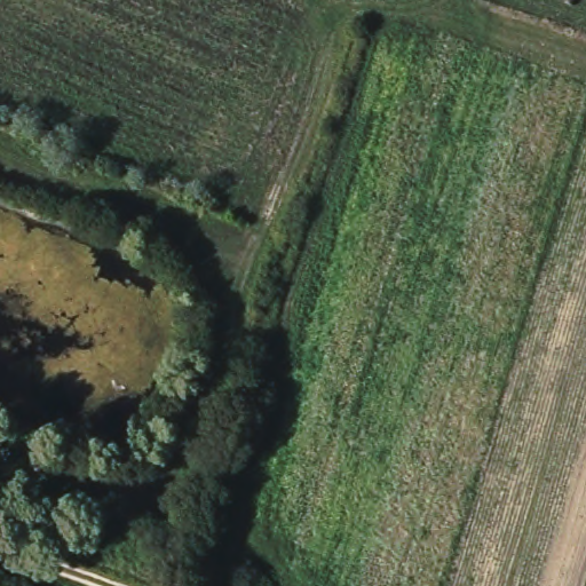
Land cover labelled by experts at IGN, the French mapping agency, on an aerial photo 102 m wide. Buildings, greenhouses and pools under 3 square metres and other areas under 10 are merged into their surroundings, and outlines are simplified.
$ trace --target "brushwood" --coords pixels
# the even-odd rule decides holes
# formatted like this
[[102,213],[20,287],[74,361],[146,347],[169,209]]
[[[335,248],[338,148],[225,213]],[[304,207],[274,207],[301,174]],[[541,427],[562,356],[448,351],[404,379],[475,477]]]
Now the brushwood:
[[117,444],[101,444],[98,440],[89,440],[89,444],[62,456],[55,451],[62,437],[53,430],[50,423],[37,428],[30,437],[30,462],[50,474],[126,485],[151,481],[160,465],[163,446],[172,440],[165,419],[172,412],[181,410],[185,401],[185,382],[204,373],[206,369],[204,355],[208,353],[211,311],[206,302],[190,300],[188,293],[192,291],[192,284],[185,275],[179,272],[181,261],[172,252],[165,236],[156,243],[142,240],[142,233],[151,224],[149,217],[135,217],[130,227],[126,227],[117,220],[117,213],[112,208],[108,208],[105,213],[96,213],[73,201],[53,199],[43,190],[25,190],[18,185],[0,188],[0,204],[9,211],[21,211],[32,220],[43,220],[69,229],[71,233],[76,233],[73,243],[87,245],[89,250],[117,250],[137,272],[156,279],[169,293],[169,334],[167,346],[160,355],[160,364],[156,369],[156,389],[149,387],[144,391],[137,391],[142,403],[128,417],[126,423],[126,437],[133,456],[124,462],[117,462],[112,458],[112,453],[117,453]]
[[300,243],[293,266],[284,270],[284,254],[279,250],[270,254],[270,261],[266,263],[263,277],[256,286],[254,327],[291,327],[291,291],[300,279],[298,270],[309,245],[309,233],[325,211],[325,199],[311,192],[304,204],[304,220],[300,227]]
[[0,407],[0,442],[11,444],[14,435],[9,428],[7,410]]
[[350,76],[339,78],[336,94],[343,96],[341,112],[336,117],[325,119],[330,133],[346,135],[348,124],[355,119],[355,112],[359,110],[359,87],[366,85],[366,76],[378,48],[378,34],[364,27],[355,71]]
[[185,190],[181,192],[176,179],[163,179],[153,185],[144,183],[142,174],[133,167],[128,167],[124,176],[101,158],[96,158],[92,165],[89,160],[82,160],[73,153],[76,135],[66,126],[60,124],[46,135],[37,135],[37,124],[30,117],[21,117],[5,105],[0,108],[0,165],[2,169],[25,172],[34,179],[66,181],[73,188],[82,190],[133,190],[140,197],[153,199],[163,208],[174,206],[190,215],[197,215],[204,229],[238,229],[240,220],[224,211],[213,211],[213,197],[195,181],[185,183]]
[[261,579],[254,570],[238,568],[233,586],[284,586],[282,577],[275,570],[266,579]]

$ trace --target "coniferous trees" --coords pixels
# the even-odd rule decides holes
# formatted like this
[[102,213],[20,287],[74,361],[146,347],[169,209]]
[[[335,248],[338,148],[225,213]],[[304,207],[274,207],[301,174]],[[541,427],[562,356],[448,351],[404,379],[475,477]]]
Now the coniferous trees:
[[192,572],[192,561],[215,545],[215,520],[211,506],[213,501],[227,501],[227,490],[217,483],[217,478],[227,472],[238,472],[252,451],[250,446],[238,442],[240,426],[245,423],[245,405],[236,387],[254,387],[256,375],[236,359],[229,359],[227,375],[222,378],[222,382],[201,401],[197,423],[199,433],[195,440],[185,444],[183,467],[174,472],[174,481],[158,497],[160,510],[165,510],[167,515],[163,520],[133,520],[126,538],[105,549],[101,563],[94,570],[133,586],[204,586],[204,577]]

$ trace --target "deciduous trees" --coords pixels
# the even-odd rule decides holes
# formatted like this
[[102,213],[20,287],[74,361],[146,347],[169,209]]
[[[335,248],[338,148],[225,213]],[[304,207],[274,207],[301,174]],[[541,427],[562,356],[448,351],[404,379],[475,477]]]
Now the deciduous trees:
[[94,499],[85,494],[73,494],[69,499],[64,494],[60,497],[60,501],[41,499],[37,506],[30,506],[23,494],[25,474],[21,469],[14,472],[11,481],[0,488],[0,586],[57,586],[55,579],[62,579],[64,563],[94,570],[101,563],[105,549],[96,545],[101,531],[101,508]]

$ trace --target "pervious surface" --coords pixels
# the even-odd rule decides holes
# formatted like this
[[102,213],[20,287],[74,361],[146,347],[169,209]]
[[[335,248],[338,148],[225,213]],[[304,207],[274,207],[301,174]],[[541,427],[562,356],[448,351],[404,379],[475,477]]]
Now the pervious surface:
[[94,570],[64,563],[62,579],[55,579],[57,586],[133,586]]

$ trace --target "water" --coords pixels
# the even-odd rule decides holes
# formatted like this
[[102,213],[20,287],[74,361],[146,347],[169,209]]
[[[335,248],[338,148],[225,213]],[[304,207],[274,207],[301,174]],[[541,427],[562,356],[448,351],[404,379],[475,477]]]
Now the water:
[[156,369],[160,364],[160,355],[167,346],[169,334],[169,293],[156,279],[137,272],[117,250],[89,250],[87,245],[73,243],[76,233],[71,233],[69,229],[43,220],[32,220],[21,211],[9,211],[0,204],[0,407],[7,410],[9,428],[14,435],[30,437],[37,428],[50,423],[53,430],[62,437],[55,451],[62,456],[89,444],[89,440],[98,440],[101,444],[117,444],[117,453],[112,453],[112,458],[117,462],[124,462],[133,456],[126,437],[126,423],[128,417],[142,403],[137,391],[144,391],[149,387],[156,389]]

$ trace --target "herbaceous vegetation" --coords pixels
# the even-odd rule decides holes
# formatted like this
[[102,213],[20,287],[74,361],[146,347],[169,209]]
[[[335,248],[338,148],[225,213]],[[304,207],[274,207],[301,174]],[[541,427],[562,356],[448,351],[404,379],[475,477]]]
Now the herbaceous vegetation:
[[[250,446],[252,451],[238,472],[227,472],[217,478],[217,483],[227,490],[227,501],[213,501],[211,506],[215,520],[215,545],[192,561],[192,572],[204,577],[204,586],[233,586],[238,568],[254,570],[261,579],[266,579],[275,570],[261,554],[254,552],[247,538],[254,526],[256,497],[268,478],[268,460],[295,433],[300,410],[300,382],[293,378],[291,366],[302,357],[302,343],[307,339],[307,327],[311,323],[311,311],[316,307],[316,298],[325,286],[323,275],[327,272],[327,266],[332,261],[339,224],[343,222],[346,204],[350,199],[359,172],[359,153],[366,147],[373,128],[375,112],[366,114],[359,110],[355,112],[355,119],[348,124],[346,135],[330,133],[325,119],[336,117],[341,112],[343,96],[336,94],[339,78],[350,76],[355,71],[364,27],[378,34],[385,25],[385,16],[380,11],[389,7],[394,0],[300,0],[307,14],[320,23],[318,43],[323,50],[316,62],[314,82],[304,98],[302,117],[288,147],[286,165],[277,174],[272,188],[266,195],[263,213],[256,220],[256,224],[247,224],[240,220],[238,229],[204,229],[197,215],[190,215],[174,206],[163,208],[153,199],[140,197],[133,190],[82,190],[73,188],[66,181],[34,179],[25,172],[2,169],[0,165],[0,188],[18,185],[25,190],[43,190],[53,199],[73,201],[96,213],[105,213],[108,208],[112,208],[117,213],[117,220],[126,227],[130,227],[135,217],[149,217],[151,224],[142,233],[142,240],[156,243],[165,236],[172,252],[181,261],[179,272],[185,275],[192,284],[192,291],[188,293],[190,300],[206,302],[211,311],[208,353],[204,355],[206,369],[204,373],[185,382],[185,401],[181,410],[172,412],[165,419],[172,440],[163,446],[160,465],[151,481],[126,485],[50,474],[30,462],[30,437],[14,435],[11,444],[0,442],[0,488],[11,481],[14,472],[21,469],[25,474],[23,494],[30,506],[37,506],[41,499],[60,501],[60,497],[64,494],[69,499],[73,494],[85,494],[94,499],[101,508],[101,531],[96,545],[105,549],[126,538],[133,520],[163,520],[167,515],[165,510],[160,510],[158,497],[174,481],[174,472],[183,467],[185,444],[195,440],[199,433],[197,423],[201,401],[222,382],[222,378],[227,375],[229,359],[236,359],[256,375],[254,387],[236,387],[245,405],[245,423],[240,426],[238,442]],[[256,286],[263,277],[266,263],[270,261],[270,254],[279,250],[284,254],[284,270],[293,266],[300,243],[300,227],[304,220],[304,204],[311,192],[325,199],[325,211],[309,233],[309,245],[298,270],[300,279],[291,291],[291,327],[254,327]]]

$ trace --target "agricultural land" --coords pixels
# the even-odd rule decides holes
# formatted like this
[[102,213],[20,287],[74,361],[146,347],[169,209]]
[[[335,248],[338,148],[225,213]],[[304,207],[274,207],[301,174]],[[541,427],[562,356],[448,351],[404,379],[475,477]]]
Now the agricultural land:
[[247,224],[256,224],[256,220],[263,213],[266,195],[272,188],[277,174],[286,165],[288,147],[302,117],[304,98],[314,82],[316,62],[323,50],[318,43],[320,23],[307,14],[300,0],[0,0],[0,108],[5,105],[21,117],[30,117],[37,124],[37,135],[46,135],[60,124],[66,126],[76,135],[73,153],[82,160],[89,160],[92,165],[96,158],[101,158],[124,176],[128,167],[133,167],[142,174],[144,183],[153,185],[163,179],[176,179],[181,192],[185,190],[185,183],[195,181],[213,197],[213,211],[224,211],[240,220]]
[[268,460],[268,478],[256,497],[254,526],[247,538],[254,552],[261,554],[275,570],[282,577],[284,586],[586,586],[586,0],[394,0],[389,7],[380,11],[385,16],[385,25],[378,34],[378,48],[366,76],[366,85],[359,87],[359,110],[366,114],[375,112],[373,128],[366,147],[359,153],[359,172],[350,199],[346,204],[343,222],[339,224],[332,261],[327,266],[327,272],[323,275],[325,286],[316,298],[316,307],[311,311],[311,323],[307,327],[307,339],[302,343],[302,357],[291,366],[293,378],[300,382],[300,410],[295,433]]

